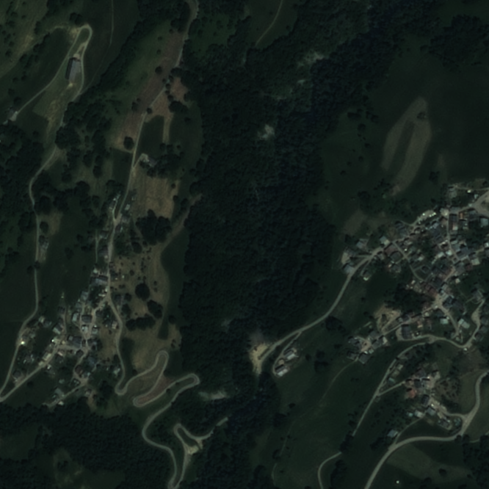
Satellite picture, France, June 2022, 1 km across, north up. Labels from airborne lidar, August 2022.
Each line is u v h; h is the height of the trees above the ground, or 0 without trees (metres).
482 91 0
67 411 20
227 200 26
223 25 13
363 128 18
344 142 0
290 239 15
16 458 0
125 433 26
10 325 0
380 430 0
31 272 19
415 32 22
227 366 6
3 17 0
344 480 17
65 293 0
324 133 7
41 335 0
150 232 28
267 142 5
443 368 0
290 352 0
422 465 0
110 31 0
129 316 8
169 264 0
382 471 0
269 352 0
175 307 0
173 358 0
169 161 20
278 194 30
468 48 33
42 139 0
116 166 0
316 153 23
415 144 0
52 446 13
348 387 0
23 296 0
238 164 21
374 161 0
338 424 0
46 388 0
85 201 17
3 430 20
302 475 0
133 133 0
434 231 0
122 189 8
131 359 0
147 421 0
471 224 12
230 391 7
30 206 13
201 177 19
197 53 7
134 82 0
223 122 39
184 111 17
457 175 0
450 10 0
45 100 0
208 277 32
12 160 18
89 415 17
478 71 0
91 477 0
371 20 17
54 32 0
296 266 22
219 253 15
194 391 13
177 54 0
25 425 9
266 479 16
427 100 0
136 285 0
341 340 0
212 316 31
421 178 0
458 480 0
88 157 15
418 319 0
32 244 0
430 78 0
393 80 0
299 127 24
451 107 0
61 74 0
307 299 22
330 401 0
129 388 0
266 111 23
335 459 0
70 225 0
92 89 12
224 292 12
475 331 0
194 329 29
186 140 0
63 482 0
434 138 0
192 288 28
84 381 0
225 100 37
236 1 22
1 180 18
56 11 18
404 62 0
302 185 28
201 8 14
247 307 7
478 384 0
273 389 28
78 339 0
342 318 0
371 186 0
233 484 18
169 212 0
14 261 20
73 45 0
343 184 0
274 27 0
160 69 14
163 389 0
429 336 0
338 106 28
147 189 0
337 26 27
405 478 0
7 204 25
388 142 0
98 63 0
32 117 0
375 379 0
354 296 0
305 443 0
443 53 12
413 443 0
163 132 0
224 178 26
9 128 16
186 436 0
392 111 0
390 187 5
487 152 0
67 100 0
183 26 21
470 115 0
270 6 0
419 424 0
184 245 0
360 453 0
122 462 21
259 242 20
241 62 23
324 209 0
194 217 24
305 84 9
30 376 0
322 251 24
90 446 19
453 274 0
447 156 0
